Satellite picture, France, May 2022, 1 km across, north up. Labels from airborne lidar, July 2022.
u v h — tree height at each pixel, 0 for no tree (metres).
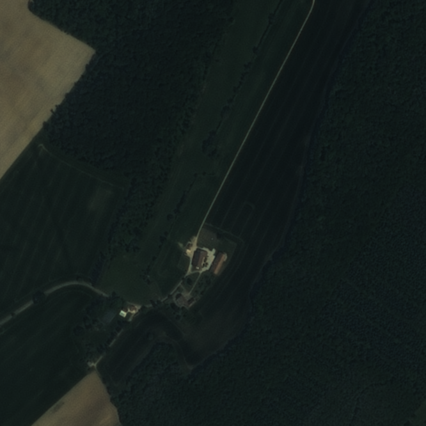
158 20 31
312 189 23
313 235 21
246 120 0
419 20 24
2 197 0
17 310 0
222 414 18
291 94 0
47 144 0
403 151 21
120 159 28
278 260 24
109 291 0
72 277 0
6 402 0
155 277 0
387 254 15
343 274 20
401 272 17
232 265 0
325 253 22
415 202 15
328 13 0
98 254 0
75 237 0
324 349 14
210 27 29
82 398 0
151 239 0
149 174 28
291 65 0
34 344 0
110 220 0
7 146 0
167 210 0
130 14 27
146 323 0
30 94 0
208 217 0
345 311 12
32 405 0
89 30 9
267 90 0
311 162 23
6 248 0
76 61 0
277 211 0
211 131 0
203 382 25
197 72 23
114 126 34
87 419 0
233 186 0
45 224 0
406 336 16
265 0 0
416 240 17
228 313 0
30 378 0
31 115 0
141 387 15
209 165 0
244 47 0
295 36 0
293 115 0
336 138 15
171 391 18
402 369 14
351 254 21
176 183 0
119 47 30
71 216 0
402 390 14
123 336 0
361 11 0
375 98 19
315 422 17
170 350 22
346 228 20
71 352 0
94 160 26
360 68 21
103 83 33
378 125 22
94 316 18
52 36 0
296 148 0
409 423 20
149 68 31
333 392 15
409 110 16
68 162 0
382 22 24
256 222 0
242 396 18
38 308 0
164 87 29
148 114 27
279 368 15
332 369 10
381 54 21
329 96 16
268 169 0
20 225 0
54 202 0
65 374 0
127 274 0
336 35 0
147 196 22
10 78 0
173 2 27
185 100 30
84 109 29
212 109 0
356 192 20
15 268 0
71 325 0
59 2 24
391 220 15
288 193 0
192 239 0
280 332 21
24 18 0
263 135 0
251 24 0
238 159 0
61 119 26
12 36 0
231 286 0
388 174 21
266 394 15
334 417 15
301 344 12
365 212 23
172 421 14
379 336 16
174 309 17
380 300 21
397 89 22
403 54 18
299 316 23
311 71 0
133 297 0
